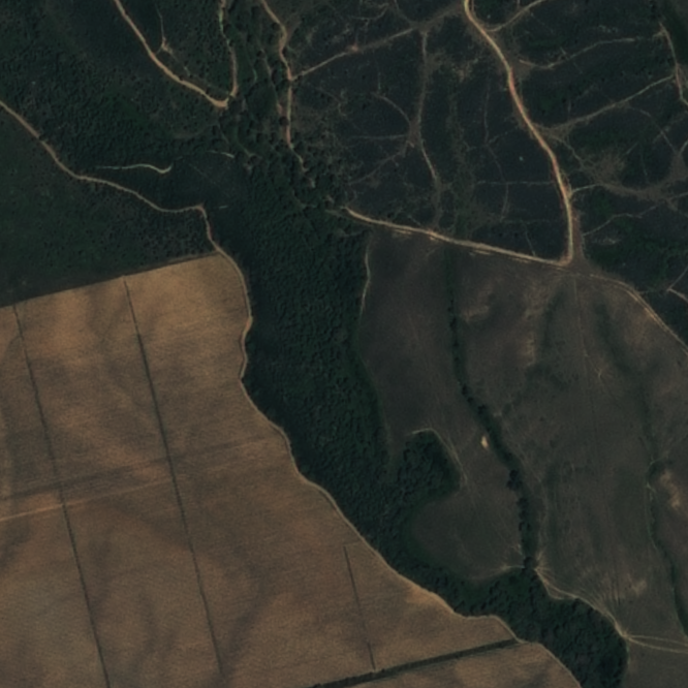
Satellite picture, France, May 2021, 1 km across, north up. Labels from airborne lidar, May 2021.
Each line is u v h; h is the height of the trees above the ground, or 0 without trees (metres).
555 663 0
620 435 0
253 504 0
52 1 0
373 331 0
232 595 0
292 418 5
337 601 0
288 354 8
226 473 0
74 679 0
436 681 0
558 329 0
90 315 0
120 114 10
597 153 0
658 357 0
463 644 0
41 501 0
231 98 8
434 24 0
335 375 9
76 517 0
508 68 0
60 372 0
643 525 0
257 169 10
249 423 0
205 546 0
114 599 0
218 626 0
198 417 0
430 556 0
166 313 0
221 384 0
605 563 0
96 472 0
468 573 0
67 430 0
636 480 0
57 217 0
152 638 0
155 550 0
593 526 0
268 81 11
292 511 0
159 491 0
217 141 13
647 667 0
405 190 0
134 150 7
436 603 0
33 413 0
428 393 0
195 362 0
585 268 0
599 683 12
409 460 14
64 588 0
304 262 8
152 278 0
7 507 0
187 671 0
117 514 0
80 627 0
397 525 9
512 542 0
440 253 0
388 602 0
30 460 0
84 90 10
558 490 0
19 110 7
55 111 8
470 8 0
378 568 0
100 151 8
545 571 0
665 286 0
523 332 0
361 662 0
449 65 0
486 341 0
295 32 6
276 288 8
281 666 0
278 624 0
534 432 0
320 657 0
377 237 0
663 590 0
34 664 0
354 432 9
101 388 0
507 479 0
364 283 7
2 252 0
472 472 0
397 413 0
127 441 0
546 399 0
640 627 0
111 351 0
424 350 0
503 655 0
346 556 0
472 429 0
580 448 0
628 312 0
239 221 6
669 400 0
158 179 7
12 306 0
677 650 0
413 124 0
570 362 0
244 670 0
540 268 0
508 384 0
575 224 0
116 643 0
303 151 10
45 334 0
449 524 0
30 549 0
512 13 0
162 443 0
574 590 0
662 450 0
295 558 0
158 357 0
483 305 0
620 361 0
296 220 14
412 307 0
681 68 0
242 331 0
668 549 0
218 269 0
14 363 0
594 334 0
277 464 0
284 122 13
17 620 0
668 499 0
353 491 9
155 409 0
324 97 11
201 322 0
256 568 0
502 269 0
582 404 0
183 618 0
